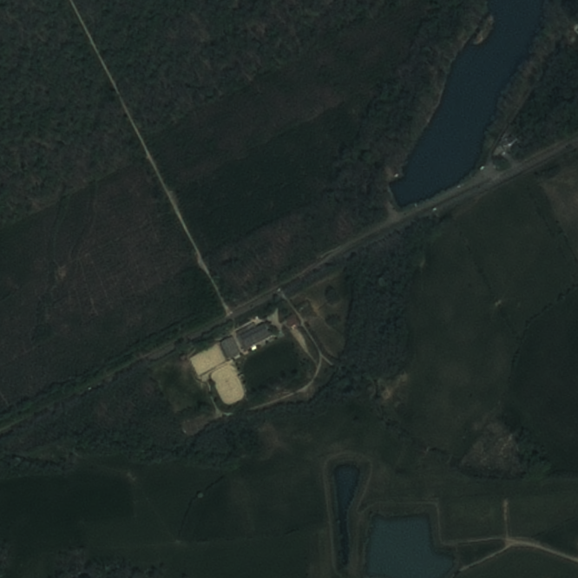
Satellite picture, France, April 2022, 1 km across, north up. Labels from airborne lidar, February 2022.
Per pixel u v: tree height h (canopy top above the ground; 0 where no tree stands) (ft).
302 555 0
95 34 65
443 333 0
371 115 41
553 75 80
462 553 0
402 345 76
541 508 0
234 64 76
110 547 0
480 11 84
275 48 79
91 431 73
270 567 0
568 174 0
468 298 0
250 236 47
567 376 0
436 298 0
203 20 97
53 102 77
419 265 47
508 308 0
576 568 0
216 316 44
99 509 0
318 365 0
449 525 0
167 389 0
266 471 0
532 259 0
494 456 0
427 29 87
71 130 99
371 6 92
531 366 0
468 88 0
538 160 0
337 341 0
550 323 0
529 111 30
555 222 0
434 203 0
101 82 81
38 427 56
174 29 84
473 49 0
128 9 94
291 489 0
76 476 0
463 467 0
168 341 39
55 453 0
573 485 0
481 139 0
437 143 0
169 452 39
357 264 73
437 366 0
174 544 0
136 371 64
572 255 0
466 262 0
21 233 18
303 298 0
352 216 74
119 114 86
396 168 82
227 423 43
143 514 0
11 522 0
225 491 0
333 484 0
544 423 0
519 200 0
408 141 88
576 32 81
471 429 0
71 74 82
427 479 0
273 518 0
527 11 0
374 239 0
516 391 0
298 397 33
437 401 0
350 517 0
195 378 0
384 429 0
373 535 0
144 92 90
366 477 0
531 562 0
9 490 0
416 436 0
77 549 0
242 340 0
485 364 0
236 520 0
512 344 0
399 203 0
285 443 0
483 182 0
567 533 0
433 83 82
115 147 80
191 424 0
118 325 0
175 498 0
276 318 0
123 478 0
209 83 83
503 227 0
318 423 0
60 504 0
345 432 0
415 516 0
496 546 0
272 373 0
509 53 0
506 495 0
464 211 0
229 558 0
